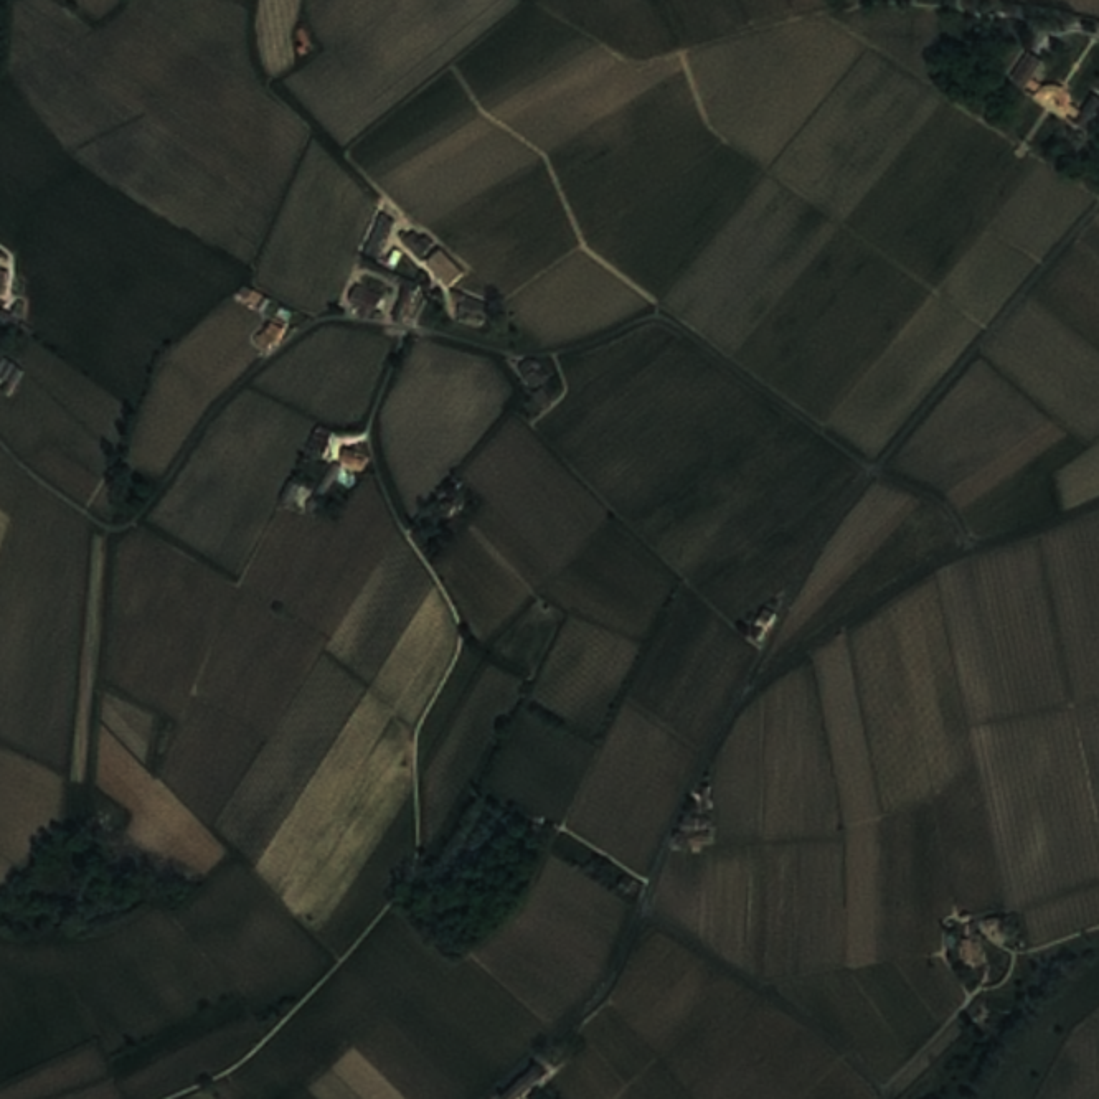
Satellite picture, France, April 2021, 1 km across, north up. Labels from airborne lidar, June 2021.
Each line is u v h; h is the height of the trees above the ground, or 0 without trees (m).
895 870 0
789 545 0
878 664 0
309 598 0
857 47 0
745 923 0
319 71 0
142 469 0
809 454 0
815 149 0
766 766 0
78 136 0
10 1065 0
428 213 0
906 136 0
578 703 0
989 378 0
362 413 0
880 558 0
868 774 0
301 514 0
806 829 0
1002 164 0
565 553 0
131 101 0
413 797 0
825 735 0
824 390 0
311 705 0
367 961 0
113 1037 0
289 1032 0
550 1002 0
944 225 0
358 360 0
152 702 0
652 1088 0
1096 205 0
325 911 0
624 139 0
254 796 0
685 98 0
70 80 0
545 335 0
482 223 0
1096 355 0
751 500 0
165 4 0
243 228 0
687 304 0
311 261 0
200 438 0
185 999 0
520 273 0
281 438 0
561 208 0
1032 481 0
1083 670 0
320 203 0
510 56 0
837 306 0
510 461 0
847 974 0
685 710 0
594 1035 0
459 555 0
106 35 0
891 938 0
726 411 0
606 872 8
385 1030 0
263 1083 0
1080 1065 0
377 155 0
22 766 0
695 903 0
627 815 0
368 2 0
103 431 0
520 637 0
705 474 0
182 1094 0
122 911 15
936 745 0
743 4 0
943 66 17
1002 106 19
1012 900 0
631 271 0
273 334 0
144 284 0
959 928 8
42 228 0
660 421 0
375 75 0
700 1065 0
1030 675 0
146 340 0
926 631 0
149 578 0
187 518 0
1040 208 0
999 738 0
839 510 0
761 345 0
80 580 0
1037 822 0
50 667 0
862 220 0
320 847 0
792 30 0
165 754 0
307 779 0
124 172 0
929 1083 0
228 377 0
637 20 0
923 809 0
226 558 0
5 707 0
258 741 0
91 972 0
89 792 0
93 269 0
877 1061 0
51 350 5
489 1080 0
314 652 0
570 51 0
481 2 0
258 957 0
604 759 0
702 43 0
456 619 0
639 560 0
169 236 0
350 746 0
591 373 0
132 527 0
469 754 0
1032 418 0
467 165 0
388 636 0
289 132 0
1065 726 0
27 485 0
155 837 0
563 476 0
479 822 8
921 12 0
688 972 0
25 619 0
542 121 0
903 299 0
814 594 0
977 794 0
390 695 0
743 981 0
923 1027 0
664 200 0
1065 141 9
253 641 0
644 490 0
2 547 0
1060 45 12
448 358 0
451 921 16
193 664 0
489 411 0
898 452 0
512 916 11
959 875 0
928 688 0
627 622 0
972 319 0
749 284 0
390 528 0
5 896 13
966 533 0
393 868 0
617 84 0
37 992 0
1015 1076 0
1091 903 0
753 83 0
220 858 0
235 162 0
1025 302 0
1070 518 0
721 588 0
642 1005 0
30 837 0
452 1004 0
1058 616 0
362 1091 0
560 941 0
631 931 0
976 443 0
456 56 0
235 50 0
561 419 0
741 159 0
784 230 0
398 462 0
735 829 0
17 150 0
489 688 0
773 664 0
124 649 0
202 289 0
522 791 0
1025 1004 13
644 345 0
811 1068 0
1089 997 0
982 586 0
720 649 0
